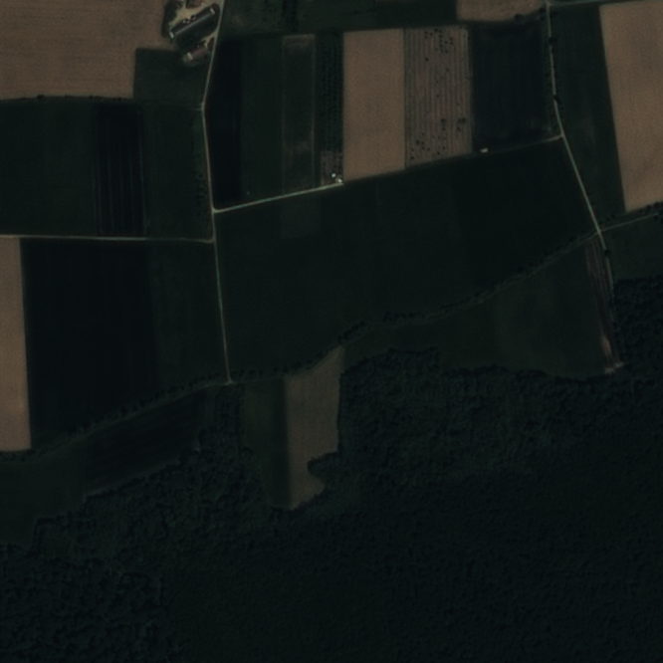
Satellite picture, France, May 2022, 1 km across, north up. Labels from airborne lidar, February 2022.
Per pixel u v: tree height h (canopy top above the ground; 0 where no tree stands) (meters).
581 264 0
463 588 25
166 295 0
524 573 24
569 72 0
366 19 0
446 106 0
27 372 0
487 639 24
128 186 0
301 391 0
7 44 0
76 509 0
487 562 24
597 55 0
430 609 23
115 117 0
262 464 0
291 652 17
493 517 22
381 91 0
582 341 0
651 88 0
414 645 21
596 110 0
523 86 0
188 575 15
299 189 0
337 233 0
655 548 20
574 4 0
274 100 0
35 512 0
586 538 23
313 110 0
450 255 0
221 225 0
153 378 0
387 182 0
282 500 0
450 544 21
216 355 0
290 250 0
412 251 0
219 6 0
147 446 0
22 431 0
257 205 0
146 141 0
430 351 8
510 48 0
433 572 23
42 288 0
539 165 0
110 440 0
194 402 0
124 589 27
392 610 21
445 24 0
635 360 25
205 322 0
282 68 0
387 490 22
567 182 0
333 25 0
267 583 18
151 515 27
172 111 0
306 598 17
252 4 0
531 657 22
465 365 0
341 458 18
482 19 0
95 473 0
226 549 22
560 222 0
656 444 23
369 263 0
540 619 25
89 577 28
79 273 0
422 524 23
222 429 11
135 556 25
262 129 0
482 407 22
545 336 0
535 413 22
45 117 0
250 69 0
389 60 0
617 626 27
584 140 0
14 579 19
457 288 0
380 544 23
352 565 24
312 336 0
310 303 0
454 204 0
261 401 0
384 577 21
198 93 0
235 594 15
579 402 23
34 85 0
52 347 0
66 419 0
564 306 0
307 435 0
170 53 0
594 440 22
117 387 0
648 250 0
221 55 0
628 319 21
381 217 0
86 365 0
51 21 0
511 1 0
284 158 0
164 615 27
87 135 0
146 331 0
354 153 0
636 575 23
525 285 0
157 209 0
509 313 0
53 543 21
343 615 17
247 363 0
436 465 15
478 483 22
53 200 0
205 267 0
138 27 0
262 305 0
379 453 22
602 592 26
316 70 0
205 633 16
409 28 0
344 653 23
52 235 0
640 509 19
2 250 0
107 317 0
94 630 27
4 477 0
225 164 0
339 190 0
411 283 0
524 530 22
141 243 0
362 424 21
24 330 0
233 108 0
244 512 18
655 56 0
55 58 0
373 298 0
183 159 0
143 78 0
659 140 0
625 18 0
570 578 25
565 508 23
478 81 0
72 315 0
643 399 22
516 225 0
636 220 0
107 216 0
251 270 0
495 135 0
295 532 19
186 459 23
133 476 0
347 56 0
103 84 0
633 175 0
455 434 25
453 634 25
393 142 0
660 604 24
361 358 0
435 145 0
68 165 0
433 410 19
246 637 17
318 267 0
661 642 25
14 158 0
